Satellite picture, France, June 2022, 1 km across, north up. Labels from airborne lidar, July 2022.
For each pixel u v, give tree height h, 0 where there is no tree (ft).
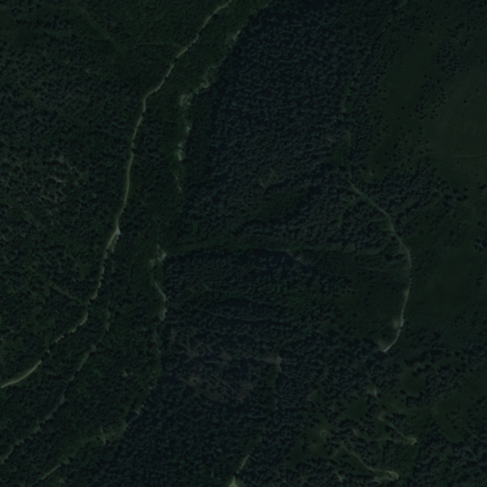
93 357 68
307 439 56
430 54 0
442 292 0
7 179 84
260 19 27
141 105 72
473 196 0
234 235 43
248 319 94
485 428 32
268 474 79
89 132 24
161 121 37
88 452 38
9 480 31
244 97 127
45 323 27
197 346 99
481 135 0
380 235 79
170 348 114
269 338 77
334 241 92
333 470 103
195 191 35
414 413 0
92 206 110
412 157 34
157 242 33
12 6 94
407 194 52
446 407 0
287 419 90
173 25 53
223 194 40
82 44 38
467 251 0
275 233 51
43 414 87
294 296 29
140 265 50
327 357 40
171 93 29
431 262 33
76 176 31
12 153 28
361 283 21
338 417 67
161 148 26
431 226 19
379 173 0
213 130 23
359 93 22
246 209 22
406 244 25
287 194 51
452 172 0
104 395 58
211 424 39
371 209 39
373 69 32
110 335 103
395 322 0
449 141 0
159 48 45
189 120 35
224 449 23
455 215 20
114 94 97
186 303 30
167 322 36
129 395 56
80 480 31
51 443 94
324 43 43
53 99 97
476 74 0
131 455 81
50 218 32
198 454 31
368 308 24
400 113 0
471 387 0
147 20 31
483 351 75
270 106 65
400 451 43
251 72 97
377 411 86
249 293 60
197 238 58
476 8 31
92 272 47
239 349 106
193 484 31
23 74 34
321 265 37
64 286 110
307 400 74
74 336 73
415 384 0
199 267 81
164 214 40
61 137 34
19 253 26
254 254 43
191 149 42
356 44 38
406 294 0
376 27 31
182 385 101
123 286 124
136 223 44
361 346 74
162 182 39
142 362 42
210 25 34
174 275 80
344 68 43
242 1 36
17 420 69
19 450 83
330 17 34
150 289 41
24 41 26
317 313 32
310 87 60
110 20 93
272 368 51
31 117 27
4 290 51
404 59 0
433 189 67
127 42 70
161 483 54
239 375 40
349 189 72
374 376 43
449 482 18
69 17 33
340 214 49
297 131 43
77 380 57
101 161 89
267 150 69
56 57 34
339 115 82
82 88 89
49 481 64
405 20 27
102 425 96
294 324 35
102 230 36
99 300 31
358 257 21
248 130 111
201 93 24
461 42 20
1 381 24
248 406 22
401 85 0
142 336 106
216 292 48
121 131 96
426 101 33
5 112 19
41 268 40
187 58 30
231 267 79
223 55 30
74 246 34
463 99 0
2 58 86
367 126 41
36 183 19
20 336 47
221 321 43
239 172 77
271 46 84
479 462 29
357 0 32
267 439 45
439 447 102
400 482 38
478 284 27
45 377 26
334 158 24
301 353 81
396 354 22
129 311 31
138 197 32
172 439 35
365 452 33
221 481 21
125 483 74
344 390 68
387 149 0
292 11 32
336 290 76
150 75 32
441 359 73
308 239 50
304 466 50
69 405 88
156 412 95
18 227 91
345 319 41
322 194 106
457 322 21
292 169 88
